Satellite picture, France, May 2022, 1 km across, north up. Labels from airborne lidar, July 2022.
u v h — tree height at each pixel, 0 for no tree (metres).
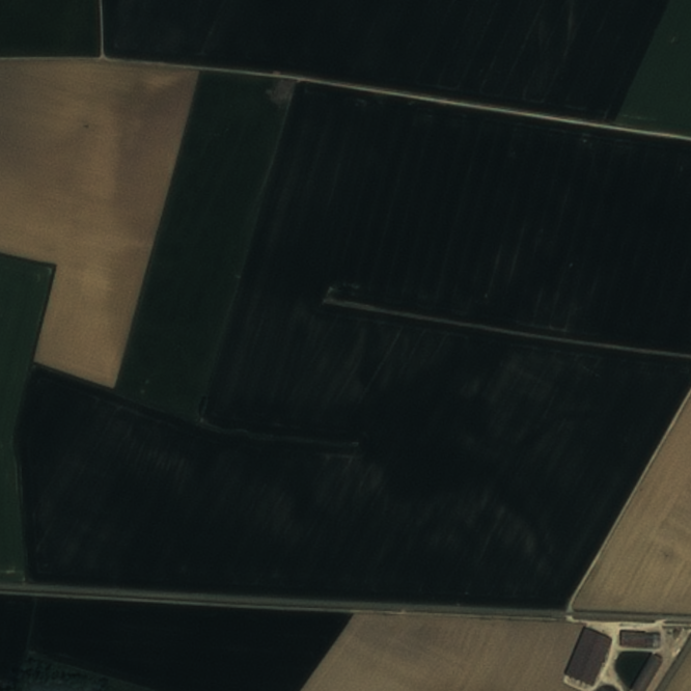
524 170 0
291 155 0
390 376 0
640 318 0
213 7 0
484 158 0
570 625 0
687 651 0
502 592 0
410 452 0
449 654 0
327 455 0
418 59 0
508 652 0
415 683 0
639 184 0
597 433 0
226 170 0
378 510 0
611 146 0
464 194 0
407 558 0
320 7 0
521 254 0
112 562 0
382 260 0
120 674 0
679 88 0
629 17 0
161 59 0
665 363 0
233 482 0
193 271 0
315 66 0
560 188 0
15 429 0
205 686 0
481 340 0
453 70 0
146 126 0
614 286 0
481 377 0
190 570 0
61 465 0
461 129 0
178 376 0
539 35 0
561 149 0
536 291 0
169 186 0
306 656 0
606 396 0
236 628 0
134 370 0
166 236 0
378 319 0
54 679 10
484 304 0
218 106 0
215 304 0
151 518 0
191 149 0
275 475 0
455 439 0
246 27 0
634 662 0
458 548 0
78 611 0
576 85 0
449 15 0
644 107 0
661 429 0
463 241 0
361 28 0
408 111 0
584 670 0
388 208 0
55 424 0
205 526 0
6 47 0
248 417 0
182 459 0
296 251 0
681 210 0
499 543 0
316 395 0
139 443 0
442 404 0
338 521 0
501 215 0
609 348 0
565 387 0
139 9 0
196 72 0
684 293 0
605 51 0
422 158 0
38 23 0
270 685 0
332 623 0
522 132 0
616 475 0
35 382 0
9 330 0
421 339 0
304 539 0
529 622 0
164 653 0
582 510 0
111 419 0
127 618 0
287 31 0
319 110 0
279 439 0
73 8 0
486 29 0
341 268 0
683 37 0
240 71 0
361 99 0
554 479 0
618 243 0
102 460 0
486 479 0
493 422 0
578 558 0
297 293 0
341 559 0
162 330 0
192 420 0
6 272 0
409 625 0
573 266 0
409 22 0
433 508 0
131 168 0
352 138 0
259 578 0
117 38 0
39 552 0
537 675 0
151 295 0
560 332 0
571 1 0
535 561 0
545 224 0
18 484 0
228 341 0
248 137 0
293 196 0
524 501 0
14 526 0
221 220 0
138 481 0
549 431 0
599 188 0
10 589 0
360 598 0
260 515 0
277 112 0
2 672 0
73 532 0
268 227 0
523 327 0
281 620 0
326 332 0
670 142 0
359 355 0
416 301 0
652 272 0
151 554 0
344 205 0
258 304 0
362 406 0
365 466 0
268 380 0
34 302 0
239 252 0
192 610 0
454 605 0
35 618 0
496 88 0
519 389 0
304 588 0
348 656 0
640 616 0
